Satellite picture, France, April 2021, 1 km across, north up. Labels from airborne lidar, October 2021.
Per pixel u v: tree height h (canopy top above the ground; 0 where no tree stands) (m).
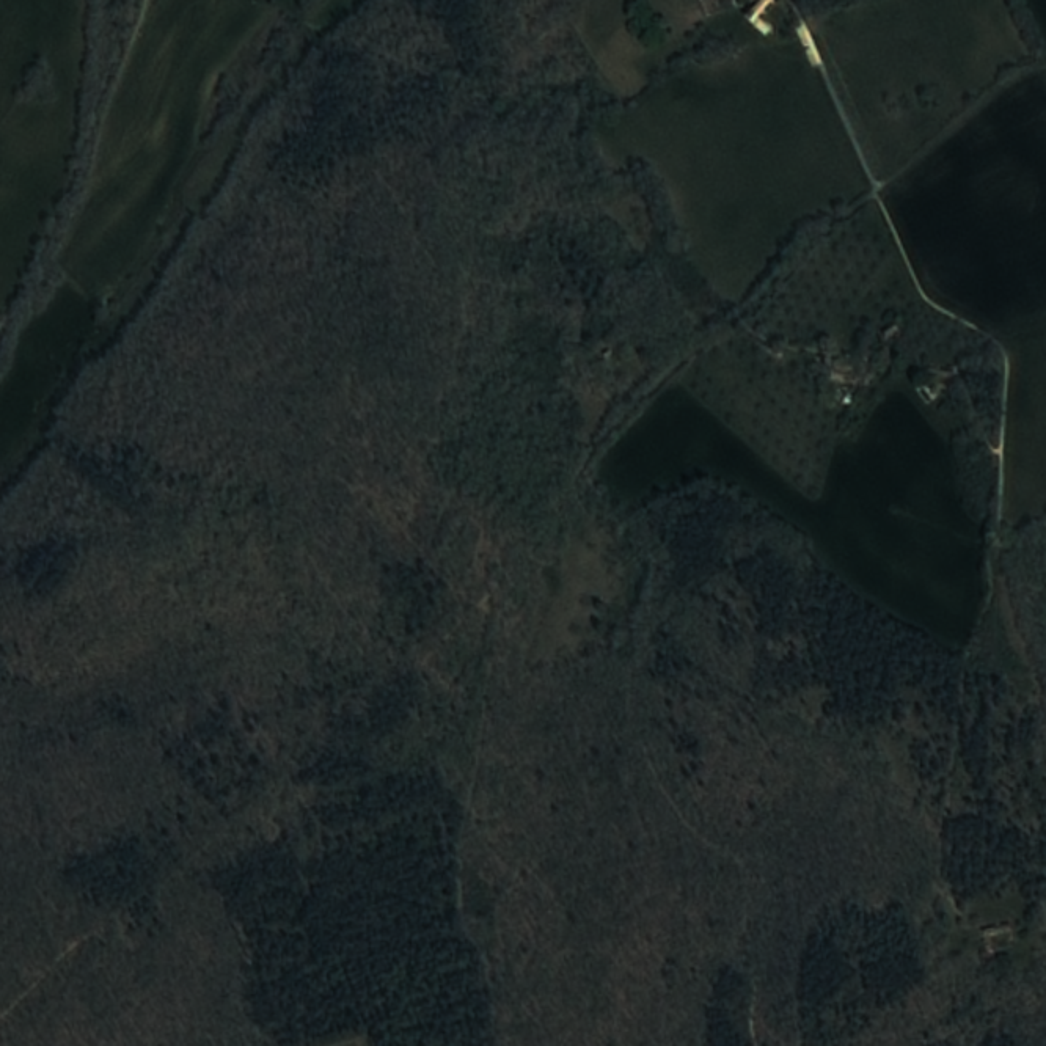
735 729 9
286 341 13
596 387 14
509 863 11
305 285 9
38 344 0
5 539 9
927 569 0
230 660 15
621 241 13
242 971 15
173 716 13
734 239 0
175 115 0
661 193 20
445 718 10
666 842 13
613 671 21
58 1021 14
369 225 14
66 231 14
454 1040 19
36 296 21
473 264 15
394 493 11
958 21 0
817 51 0
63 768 12
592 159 21
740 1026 8
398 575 15
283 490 13
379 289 12
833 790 17
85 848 11
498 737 11
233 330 13
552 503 15
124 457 6
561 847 15
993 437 14
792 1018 15
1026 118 0
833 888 12
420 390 14
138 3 8
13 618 7
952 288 0
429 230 14
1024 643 11
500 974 12
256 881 21
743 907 14
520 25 12
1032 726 11
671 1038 11
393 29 11
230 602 7
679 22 0
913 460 0
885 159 0
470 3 15
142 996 11
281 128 9
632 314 17
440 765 11
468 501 9
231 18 0
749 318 12
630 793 16
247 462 12
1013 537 14
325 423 12
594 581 0
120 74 9
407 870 16
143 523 11
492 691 10
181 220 0
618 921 11
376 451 11
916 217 0
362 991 21
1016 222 0
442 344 13
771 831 16
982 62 0
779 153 0
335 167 11
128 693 14
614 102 9
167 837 13
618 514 16
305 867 14
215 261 7
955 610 0
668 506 19
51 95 9
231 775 8
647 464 0
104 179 0
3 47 0
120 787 12
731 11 15
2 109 0
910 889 15
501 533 10
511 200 12
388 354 17
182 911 12
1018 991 17
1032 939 11
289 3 0
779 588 17
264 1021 18
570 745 14
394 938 18
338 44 12
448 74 10
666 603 20
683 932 9
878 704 17
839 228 13
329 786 22
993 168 0
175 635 11
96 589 9
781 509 0
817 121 0
